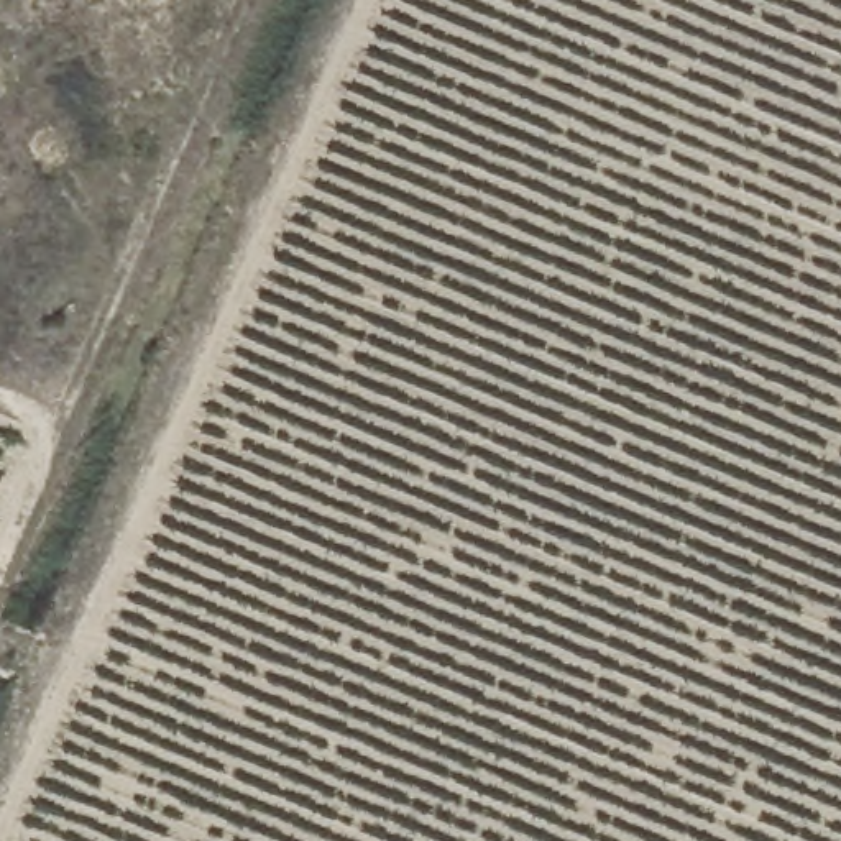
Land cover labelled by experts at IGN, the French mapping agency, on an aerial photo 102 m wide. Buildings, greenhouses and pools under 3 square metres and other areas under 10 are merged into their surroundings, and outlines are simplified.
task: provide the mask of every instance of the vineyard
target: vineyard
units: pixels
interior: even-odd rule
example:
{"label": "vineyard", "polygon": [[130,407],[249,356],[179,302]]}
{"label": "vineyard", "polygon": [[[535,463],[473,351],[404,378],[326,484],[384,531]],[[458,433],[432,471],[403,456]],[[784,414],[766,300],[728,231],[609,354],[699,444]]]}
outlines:
{"label": "vineyard", "polygon": [[16,414],[7,404],[0,404],[0,466],[10,447],[23,443],[23,434],[16,430]]}
{"label": "vineyard", "polygon": [[204,342],[191,361],[187,384],[177,391],[168,427],[158,434],[151,447],[151,463],[138,473],[112,552],[92,591],[85,595],[82,614],[62,647],[59,667],[39,696],[23,752],[13,762],[7,785],[0,788],[0,841],[841,841],[841,0],[345,0],[342,23],[325,43],[322,72],[312,85],[306,115],[292,141],[276,145],[273,181],[260,194],[260,200],[246,207],[246,233],[240,240],[240,250],[233,253],[233,263],[227,266],[227,289],[217,302],[217,319],[207,325]]}

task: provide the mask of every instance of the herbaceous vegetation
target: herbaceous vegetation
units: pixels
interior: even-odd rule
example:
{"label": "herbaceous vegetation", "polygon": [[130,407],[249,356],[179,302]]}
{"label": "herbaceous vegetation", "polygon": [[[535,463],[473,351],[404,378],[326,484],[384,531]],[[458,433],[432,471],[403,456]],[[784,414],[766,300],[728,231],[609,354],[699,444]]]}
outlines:
{"label": "herbaceous vegetation", "polygon": [[158,434],[168,427],[177,391],[187,384],[191,361],[204,342],[207,325],[217,319],[217,302],[227,289],[227,266],[233,263],[233,253],[240,250],[240,240],[246,233],[246,207],[260,200],[260,194],[273,181],[276,145],[292,141],[306,115],[312,85],[322,72],[325,43],[342,23],[345,0],[0,0],[0,384],[36,401],[56,421],[56,450],[49,476],[26,519],[26,529],[7,565],[0,591],[0,788],[7,785],[13,762],[23,752],[39,696],[59,667],[62,647],[82,614],[85,595],[92,591],[112,552],[138,473],[151,463],[151,447]]}

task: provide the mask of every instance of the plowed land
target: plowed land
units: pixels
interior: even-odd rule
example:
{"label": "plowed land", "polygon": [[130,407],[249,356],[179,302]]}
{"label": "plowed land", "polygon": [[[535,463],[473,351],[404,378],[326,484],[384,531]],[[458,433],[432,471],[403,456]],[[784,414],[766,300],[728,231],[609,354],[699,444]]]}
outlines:
{"label": "plowed land", "polygon": [[36,401],[0,384],[0,404],[7,404],[16,414],[16,430],[23,434],[23,443],[10,447],[0,466],[0,591],[7,565],[26,529],[26,519],[49,476],[56,450],[56,421]]}

